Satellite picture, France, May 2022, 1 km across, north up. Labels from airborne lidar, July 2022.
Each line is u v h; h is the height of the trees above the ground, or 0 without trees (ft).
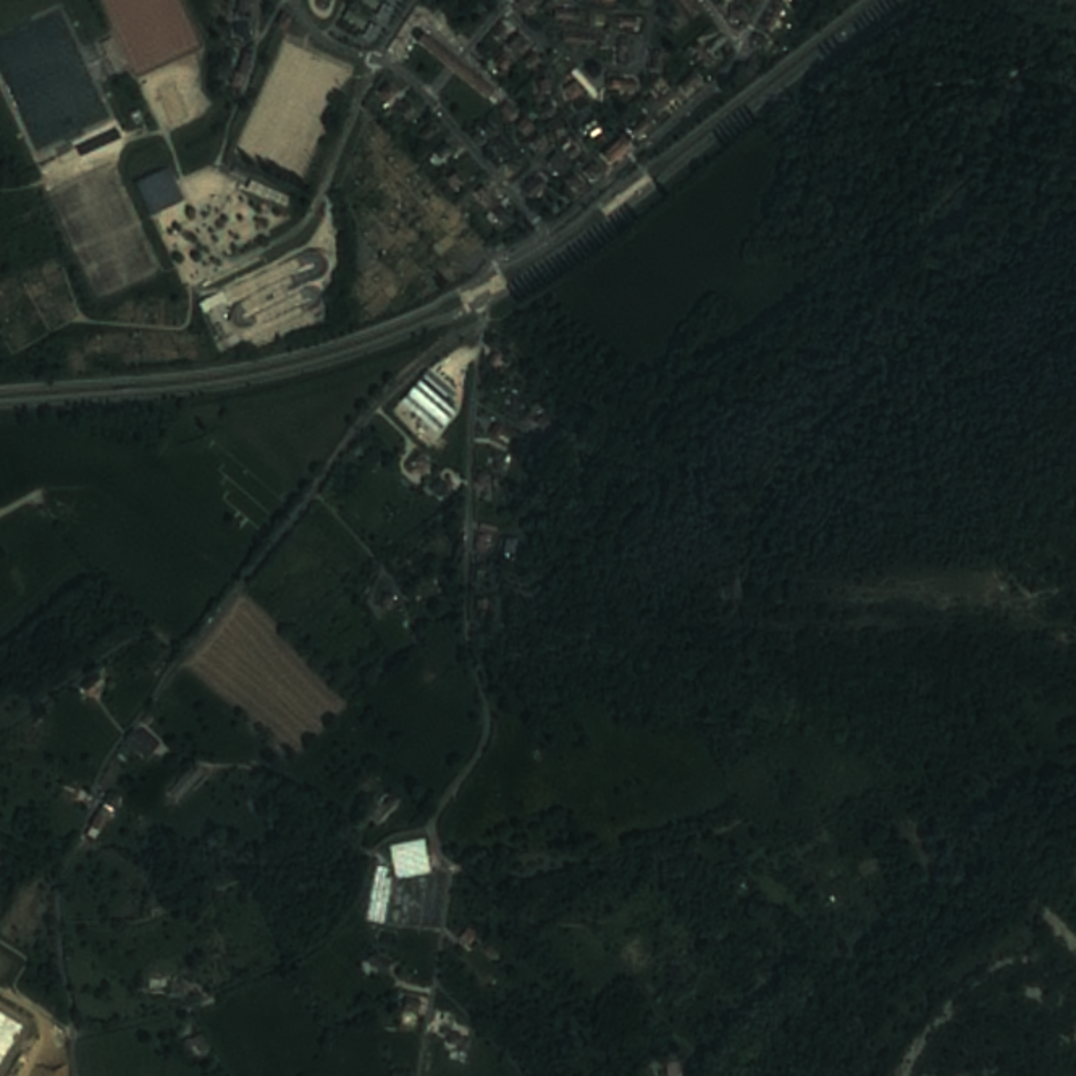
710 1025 38
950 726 76
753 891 43
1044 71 37
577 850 49
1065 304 67
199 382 0
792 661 41
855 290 72
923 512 36
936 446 61
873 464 56
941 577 0
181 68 0
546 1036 28
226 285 0
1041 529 43
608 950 30
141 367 32
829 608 27
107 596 56
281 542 24
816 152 53
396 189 0
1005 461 61
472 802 0
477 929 30
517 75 26
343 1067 0
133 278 0
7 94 0
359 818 66
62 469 0
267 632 0
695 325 33
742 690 54
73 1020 25
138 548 0
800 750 0
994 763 88
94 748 0
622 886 23
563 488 85
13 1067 0
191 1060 0
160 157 0
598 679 36
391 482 0
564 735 0
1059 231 64
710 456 69
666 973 24
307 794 49
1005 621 21
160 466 0
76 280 32
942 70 63
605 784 0
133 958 21
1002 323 67
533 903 24
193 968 49
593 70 45
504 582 28
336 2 0
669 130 0
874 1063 46
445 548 0
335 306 32
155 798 0
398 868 0
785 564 35
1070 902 22
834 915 23
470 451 0
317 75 0
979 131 86
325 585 0
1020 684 34
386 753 0
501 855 48
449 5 39
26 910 0
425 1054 0
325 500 19
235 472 0
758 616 19
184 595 0
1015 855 83
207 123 0
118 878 24
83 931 34
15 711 25
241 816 0
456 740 0
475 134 21
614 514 55
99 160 0
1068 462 59
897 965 33
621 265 0
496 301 0
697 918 22
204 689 0
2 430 0
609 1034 42
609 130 41
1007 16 64
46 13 0
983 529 44
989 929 36
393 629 0
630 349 0
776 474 41
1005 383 52
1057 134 68
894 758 59
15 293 0
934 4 49
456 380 0
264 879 26
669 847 33
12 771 21
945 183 52
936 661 41
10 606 0
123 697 0
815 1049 49
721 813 22
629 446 76
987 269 69
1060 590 22
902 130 61
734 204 0
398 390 0
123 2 0
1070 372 53
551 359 33
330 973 0
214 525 0
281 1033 0
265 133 0
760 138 0
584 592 48
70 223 0
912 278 86
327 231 0
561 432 79
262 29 0
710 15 0
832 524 39
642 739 0
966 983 19
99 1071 0
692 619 42
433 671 0
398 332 0
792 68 0
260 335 0
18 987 0
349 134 0
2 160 32
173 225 23
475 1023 59
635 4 43
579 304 0
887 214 39
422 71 27
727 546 53
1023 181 83
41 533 0
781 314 50
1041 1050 20
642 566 52
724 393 78
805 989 53
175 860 33
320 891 30
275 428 0
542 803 0
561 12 0
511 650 25
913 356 42
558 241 0
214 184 0
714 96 0
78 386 0
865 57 65
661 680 54
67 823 0
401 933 0
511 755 0
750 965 23
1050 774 71
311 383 0
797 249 60
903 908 70
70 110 0
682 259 0
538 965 27
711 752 34
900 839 26
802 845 27
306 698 0
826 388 49
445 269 0
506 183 0
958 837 22
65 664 45
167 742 39
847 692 45
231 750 0
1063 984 46
